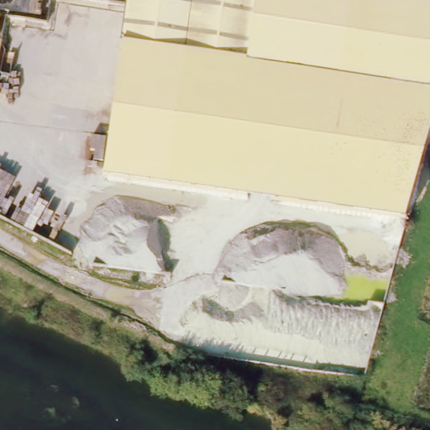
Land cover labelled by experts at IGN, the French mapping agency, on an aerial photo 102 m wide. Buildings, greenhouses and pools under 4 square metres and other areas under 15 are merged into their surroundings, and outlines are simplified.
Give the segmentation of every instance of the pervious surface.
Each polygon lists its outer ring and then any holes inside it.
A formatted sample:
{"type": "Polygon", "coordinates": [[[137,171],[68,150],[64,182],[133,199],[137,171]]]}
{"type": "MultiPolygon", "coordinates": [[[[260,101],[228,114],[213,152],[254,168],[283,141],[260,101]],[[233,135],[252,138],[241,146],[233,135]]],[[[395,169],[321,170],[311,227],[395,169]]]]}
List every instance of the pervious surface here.
{"type": "Polygon", "coordinates": [[[220,354],[223,358],[240,359],[269,368],[279,364],[304,370],[364,375],[363,368],[370,363],[371,348],[375,344],[380,326],[383,302],[334,299],[331,296],[344,291],[343,282],[346,281],[346,274],[390,281],[395,264],[370,264],[364,255],[354,259],[349,255],[346,244],[339,239],[338,233],[326,223],[304,220],[270,220],[257,223],[254,227],[245,228],[237,235],[233,235],[232,239],[223,245],[217,267],[212,272],[193,272],[183,277],[185,284],[181,286],[161,287],[160,299],[163,304],[160,324],[156,328],[166,336],[178,339],[175,346],[175,348],[181,349],[193,349],[195,353],[203,356],[210,353],[220,354]]]}
{"type": "Polygon", "coordinates": [[[113,195],[106,198],[87,212],[81,227],[74,233],[77,245],[74,249],[77,264],[82,262],[89,267],[92,267],[94,264],[102,264],[104,260],[107,267],[134,272],[139,272],[141,281],[149,282],[161,269],[170,272],[175,269],[175,260],[168,255],[170,232],[161,220],[163,215],[178,213],[175,205],[171,203],[155,202],[133,195],[113,195]]]}

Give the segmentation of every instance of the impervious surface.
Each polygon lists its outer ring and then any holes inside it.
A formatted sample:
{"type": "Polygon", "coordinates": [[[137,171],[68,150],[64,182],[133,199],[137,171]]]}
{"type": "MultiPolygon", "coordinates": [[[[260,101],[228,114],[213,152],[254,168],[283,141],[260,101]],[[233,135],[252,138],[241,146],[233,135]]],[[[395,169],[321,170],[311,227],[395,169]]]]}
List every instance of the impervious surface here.
{"type": "Polygon", "coordinates": [[[364,208],[334,207],[326,203],[299,202],[279,197],[277,191],[260,190],[259,197],[222,200],[188,191],[107,181],[102,173],[102,165],[106,160],[107,129],[111,121],[111,107],[116,102],[114,84],[121,42],[126,39],[128,32],[124,29],[124,0],[0,0],[0,215],[18,225],[25,223],[27,228],[35,228],[35,233],[39,233],[50,242],[62,245],[66,249],[74,249],[77,245],[74,233],[81,227],[87,212],[106,198],[113,195],[133,195],[155,202],[171,203],[175,205],[178,213],[163,215],[161,220],[170,232],[168,255],[175,260],[175,269],[170,272],[161,269],[149,282],[153,282],[156,287],[151,291],[119,289],[87,275],[89,267],[82,262],[77,264],[77,269],[74,270],[67,265],[57,264],[49,255],[35,249],[34,245],[20,244],[12,235],[8,235],[0,228],[0,247],[29,262],[45,274],[59,279],[60,282],[77,287],[82,292],[89,292],[96,299],[104,299],[118,306],[133,307],[136,316],[156,328],[160,324],[163,304],[160,299],[161,287],[181,286],[185,284],[183,277],[193,272],[212,272],[217,267],[223,245],[232,239],[233,235],[237,235],[245,228],[254,227],[257,223],[270,220],[304,220],[326,223],[338,233],[339,239],[346,244],[349,255],[354,259],[364,255],[370,264],[395,264],[396,249],[403,235],[403,223],[400,218],[391,220],[390,213],[373,212],[364,208]]]}
{"type": "Polygon", "coordinates": [[[104,260],[102,264],[94,264],[92,267],[92,270],[99,274],[118,279],[131,279],[134,272],[107,267],[104,260]]]}

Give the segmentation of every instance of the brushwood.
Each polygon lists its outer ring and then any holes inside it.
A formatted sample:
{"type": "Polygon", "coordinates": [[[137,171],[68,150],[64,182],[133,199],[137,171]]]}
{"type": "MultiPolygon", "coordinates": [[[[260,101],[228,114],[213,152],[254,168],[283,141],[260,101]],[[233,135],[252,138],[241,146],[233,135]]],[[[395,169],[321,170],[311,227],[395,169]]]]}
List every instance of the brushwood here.
{"type": "Polygon", "coordinates": [[[291,430],[292,422],[302,422],[302,405],[314,403],[321,406],[324,403],[322,396],[317,393],[306,396],[299,391],[294,398],[274,403],[269,391],[265,390],[267,386],[260,383],[257,386],[259,400],[254,403],[247,410],[260,417],[269,418],[272,430],[291,430]]]}
{"type": "Polygon", "coordinates": [[[373,405],[351,405],[353,417],[371,420],[366,430],[430,430],[430,349],[425,356],[422,378],[418,380],[415,388],[412,408],[408,412],[400,412],[395,408],[393,412],[380,415],[373,405]]]}
{"type": "Polygon", "coordinates": [[[430,134],[410,195],[406,218],[410,222],[417,220],[418,200],[430,180],[430,134]]]}
{"type": "Polygon", "coordinates": [[[129,351],[128,348],[134,339],[143,339],[141,364],[155,361],[156,356],[160,354],[166,356],[175,348],[175,346],[165,343],[153,333],[139,329],[133,322],[119,321],[109,312],[60,291],[59,287],[40,281],[39,277],[0,257],[0,307],[12,312],[13,316],[24,317],[30,324],[54,329],[77,343],[86,344],[89,348],[113,356],[124,375],[136,363],[131,354],[133,351],[129,351]]]}

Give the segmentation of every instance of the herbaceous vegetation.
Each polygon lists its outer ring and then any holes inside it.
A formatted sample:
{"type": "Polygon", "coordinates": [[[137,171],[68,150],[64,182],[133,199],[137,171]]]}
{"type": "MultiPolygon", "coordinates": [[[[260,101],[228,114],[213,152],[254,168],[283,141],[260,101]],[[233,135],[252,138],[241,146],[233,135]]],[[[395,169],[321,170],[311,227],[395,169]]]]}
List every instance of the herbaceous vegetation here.
{"type": "Polygon", "coordinates": [[[39,233],[35,233],[35,228],[27,228],[25,223],[18,225],[0,215],[0,228],[8,235],[12,235],[20,244],[34,245],[35,249],[49,255],[57,264],[67,265],[74,270],[77,269],[77,264],[74,249],[66,249],[62,245],[50,242],[39,233]]]}
{"type": "Polygon", "coordinates": [[[348,396],[351,405],[373,405],[380,415],[393,412],[395,408],[400,412],[408,412],[412,408],[415,388],[418,380],[422,378],[425,356],[430,349],[430,180],[418,200],[417,220],[410,222],[406,218],[403,223],[403,235],[396,249],[395,264],[390,281],[391,292],[395,294],[396,299],[383,302],[380,326],[375,344],[371,348],[370,363],[363,368],[364,375],[304,370],[279,364],[269,368],[240,359],[223,358],[220,354],[210,353],[203,356],[195,353],[193,349],[181,349],[186,358],[205,359],[205,363],[208,364],[207,371],[218,375],[233,373],[247,388],[254,403],[259,400],[257,386],[260,383],[267,386],[265,390],[269,391],[274,403],[294,398],[299,391],[306,396],[317,393],[322,396],[328,393],[348,396]]]}
{"type": "Polygon", "coordinates": [[[149,282],[141,281],[139,272],[134,272],[131,279],[118,279],[99,274],[92,270],[92,267],[89,267],[87,275],[119,289],[151,291],[156,287],[153,282],[149,282]]]}
{"type": "Polygon", "coordinates": [[[104,299],[96,299],[89,292],[82,292],[77,287],[60,282],[59,279],[45,274],[29,262],[0,247],[0,257],[39,277],[40,281],[59,287],[60,291],[109,312],[119,321],[133,322],[139,329],[153,333],[165,343],[175,346],[178,339],[166,336],[156,328],[136,316],[133,307],[118,306],[104,299]]]}

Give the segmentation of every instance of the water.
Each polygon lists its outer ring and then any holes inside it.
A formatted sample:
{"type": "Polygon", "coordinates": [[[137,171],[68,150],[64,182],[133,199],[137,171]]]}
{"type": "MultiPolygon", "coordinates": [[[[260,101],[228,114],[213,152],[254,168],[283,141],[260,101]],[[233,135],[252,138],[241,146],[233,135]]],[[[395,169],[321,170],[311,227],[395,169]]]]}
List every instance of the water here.
{"type": "Polygon", "coordinates": [[[346,274],[346,281],[343,282],[344,291],[331,296],[334,299],[383,302],[396,299],[395,294],[391,292],[390,281],[346,274]]]}
{"type": "Polygon", "coordinates": [[[77,343],[54,329],[30,324],[24,317],[13,316],[12,312],[0,307],[0,430],[272,430],[269,418],[260,417],[247,410],[242,413],[242,420],[233,420],[230,415],[217,408],[153,395],[146,381],[128,380],[124,375],[113,356],[89,348],[86,344],[77,343]]]}

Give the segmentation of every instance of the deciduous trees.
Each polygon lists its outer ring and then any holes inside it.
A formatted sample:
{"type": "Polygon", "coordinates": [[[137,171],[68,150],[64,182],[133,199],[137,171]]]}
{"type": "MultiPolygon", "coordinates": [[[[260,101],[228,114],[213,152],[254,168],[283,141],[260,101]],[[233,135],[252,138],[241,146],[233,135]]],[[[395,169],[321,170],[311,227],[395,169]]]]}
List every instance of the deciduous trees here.
{"type": "Polygon", "coordinates": [[[205,359],[186,358],[181,349],[175,348],[166,356],[160,354],[156,356],[155,361],[141,364],[143,339],[134,339],[128,348],[129,351],[133,351],[131,354],[136,363],[124,375],[128,380],[146,381],[153,395],[217,408],[230,415],[233,420],[242,420],[242,413],[247,410],[254,403],[247,388],[233,373],[218,375],[207,371],[208,364],[205,363],[205,359]]]}
{"type": "Polygon", "coordinates": [[[328,393],[322,396],[324,403],[321,406],[314,403],[302,405],[302,422],[292,422],[291,430],[366,430],[371,420],[353,417],[351,405],[348,396],[328,393]]]}

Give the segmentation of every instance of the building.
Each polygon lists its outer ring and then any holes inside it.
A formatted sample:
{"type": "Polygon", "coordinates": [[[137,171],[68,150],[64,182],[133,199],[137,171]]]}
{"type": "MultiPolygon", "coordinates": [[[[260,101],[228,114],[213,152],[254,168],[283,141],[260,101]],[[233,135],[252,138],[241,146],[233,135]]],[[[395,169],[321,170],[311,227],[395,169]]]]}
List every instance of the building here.
{"type": "Polygon", "coordinates": [[[114,84],[116,102],[111,107],[111,121],[107,129],[106,160],[102,165],[102,173],[107,181],[188,191],[222,200],[259,197],[260,190],[277,191],[279,197],[299,202],[326,203],[334,207],[364,208],[373,212],[390,213],[391,220],[400,218],[403,223],[406,218],[410,195],[430,134],[430,0],[124,0],[124,29],[128,32],[126,39],[121,42],[114,84]]]}

